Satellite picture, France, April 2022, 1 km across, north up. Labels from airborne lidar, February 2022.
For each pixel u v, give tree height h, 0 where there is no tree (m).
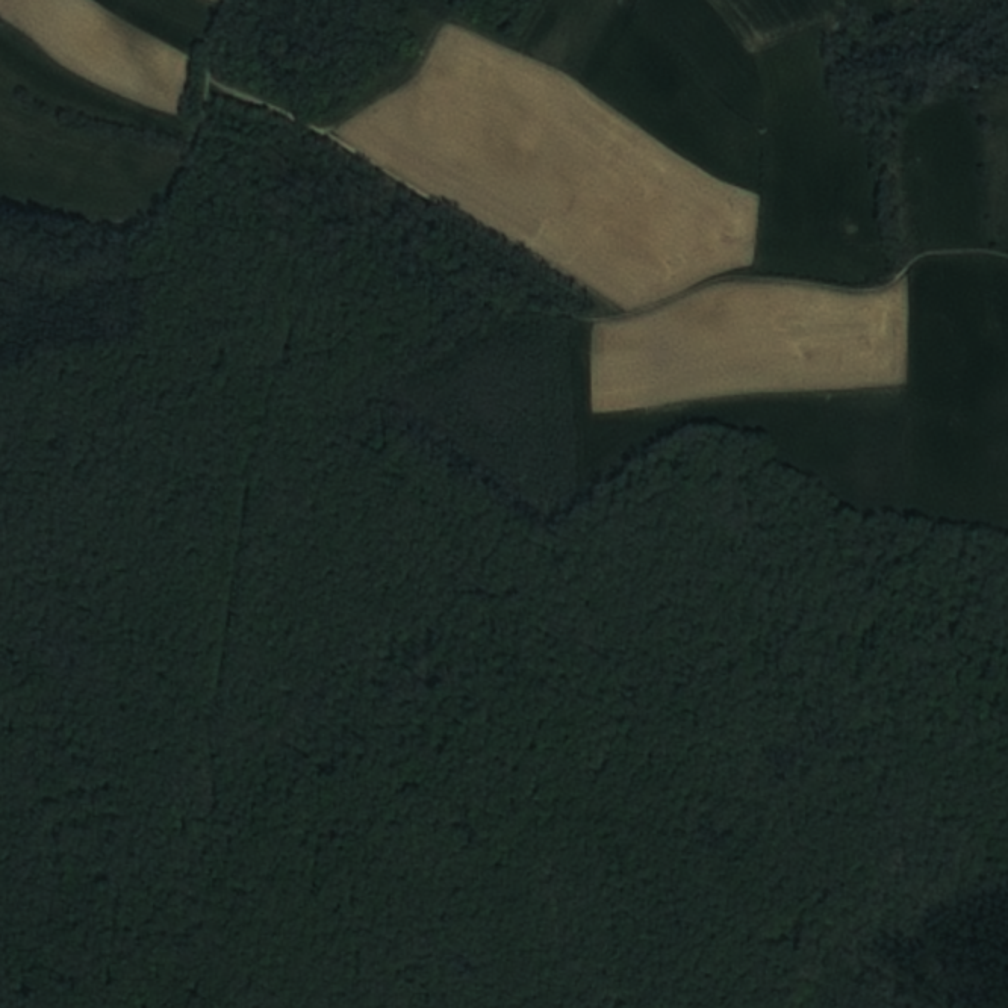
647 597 25
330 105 19
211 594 19
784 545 26
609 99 0
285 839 23
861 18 23
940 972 29
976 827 23
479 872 22
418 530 22
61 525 22
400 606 25
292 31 13
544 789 19
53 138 0
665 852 23
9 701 25
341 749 22
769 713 23
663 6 0
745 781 25
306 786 21
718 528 23
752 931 25
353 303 26
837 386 0
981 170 7
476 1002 22
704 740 22
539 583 23
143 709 23
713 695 22
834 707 20
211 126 15
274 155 14
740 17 0
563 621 25
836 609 24
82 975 23
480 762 21
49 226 29
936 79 26
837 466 0
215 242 21
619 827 22
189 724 25
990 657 22
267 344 23
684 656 28
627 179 0
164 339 21
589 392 0
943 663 25
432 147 0
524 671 25
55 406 21
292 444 22
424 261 18
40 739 24
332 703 22
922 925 25
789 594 23
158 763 22
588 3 0
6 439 26
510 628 23
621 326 0
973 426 0
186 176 13
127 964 21
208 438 21
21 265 25
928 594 21
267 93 14
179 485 22
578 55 0
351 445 26
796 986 27
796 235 0
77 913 22
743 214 0
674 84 0
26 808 23
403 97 0
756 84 0
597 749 21
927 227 0
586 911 23
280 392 19
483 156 0
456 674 26
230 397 18
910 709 23
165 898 20
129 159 0
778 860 27
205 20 0
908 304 0
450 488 25
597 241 0
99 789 25
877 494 0
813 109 0
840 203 0
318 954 20
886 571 28
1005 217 0
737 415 0
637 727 25
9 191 0
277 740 29
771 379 0
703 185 0
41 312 17
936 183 0
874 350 0
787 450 0
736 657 24
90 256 27
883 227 15
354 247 22
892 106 26
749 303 0
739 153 0
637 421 0
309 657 25
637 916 24
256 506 21
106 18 0
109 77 0
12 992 23
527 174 0
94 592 24
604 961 24
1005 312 0
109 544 21
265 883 22
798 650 24
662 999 27
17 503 25
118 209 0
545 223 0
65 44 0
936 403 0
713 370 0
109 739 24
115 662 22
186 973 26
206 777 24
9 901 22
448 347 23
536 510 24
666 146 0
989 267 0
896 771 26
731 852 23
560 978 27
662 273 0
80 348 20
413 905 23
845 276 0
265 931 22
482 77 0
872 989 23
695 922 24
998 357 0
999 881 26
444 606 24
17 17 0
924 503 0
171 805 22
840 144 0
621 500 24
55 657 29
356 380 23
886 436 0
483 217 0
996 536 15
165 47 0
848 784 22
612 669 26
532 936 24
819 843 24
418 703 23
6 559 25
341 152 14
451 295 26
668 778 19
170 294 19
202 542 21
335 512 22
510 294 15
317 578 22
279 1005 24
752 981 23
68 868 23
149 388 18
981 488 0
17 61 0
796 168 0
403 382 25
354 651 23
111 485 23
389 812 15
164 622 20
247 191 25
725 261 0
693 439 26
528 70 0
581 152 0
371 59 25
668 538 25
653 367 0
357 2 25
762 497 23
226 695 24
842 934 25
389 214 28
